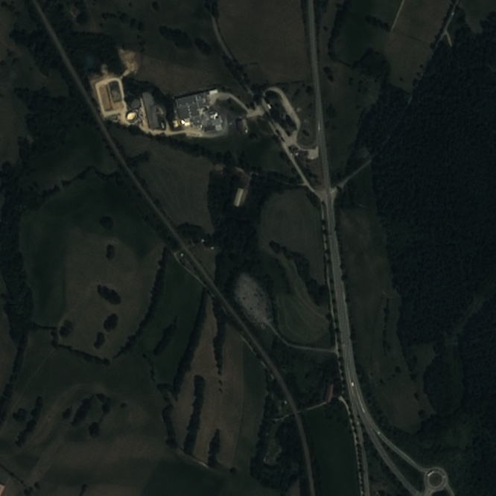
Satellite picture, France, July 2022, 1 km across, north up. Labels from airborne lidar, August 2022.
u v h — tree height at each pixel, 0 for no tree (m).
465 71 8
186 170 0
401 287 20
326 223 9
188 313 0
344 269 9
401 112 24
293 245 0
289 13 0
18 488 0
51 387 0
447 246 26
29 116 6
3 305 0
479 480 11
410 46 0
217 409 0
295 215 0
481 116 19
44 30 14
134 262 0
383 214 22
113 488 0
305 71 0
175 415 0
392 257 11
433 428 19
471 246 8
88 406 16
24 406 0
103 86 0
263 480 12
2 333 0
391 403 0
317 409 0
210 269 0
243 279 0
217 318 16
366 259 0
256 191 12
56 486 0
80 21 15
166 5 0
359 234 0
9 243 12
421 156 14
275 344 13
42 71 7
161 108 0
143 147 0
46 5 12
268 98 11
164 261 10
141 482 0
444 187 12
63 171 0
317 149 0
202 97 0
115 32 0
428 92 17
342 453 0
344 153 0
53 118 11
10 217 18
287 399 0
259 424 0
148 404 0
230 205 12
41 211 0
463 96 11
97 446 0
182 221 0
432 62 15
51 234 0
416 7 0
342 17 22
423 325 27
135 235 0
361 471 9
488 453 24
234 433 0
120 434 0
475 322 23
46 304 0
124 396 0
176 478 0
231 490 0
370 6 0
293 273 0
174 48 0
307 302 0
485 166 16
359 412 0
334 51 10
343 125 0
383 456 0
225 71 0
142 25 15
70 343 0
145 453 0
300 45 0
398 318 0
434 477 0
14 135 0
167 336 14
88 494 0
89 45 7
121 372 0
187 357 16
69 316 0
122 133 0
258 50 0
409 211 15
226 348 0
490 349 25
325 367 6
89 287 0
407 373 0
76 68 10
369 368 0
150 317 14
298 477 8
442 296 21
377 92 0
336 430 0
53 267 0
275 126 0
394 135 17
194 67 0
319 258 0
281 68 0
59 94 0
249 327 7
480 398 22
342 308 0
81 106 8
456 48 14
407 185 16
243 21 0
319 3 10
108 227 12
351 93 0
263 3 0
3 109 0
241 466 0
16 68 0
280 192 13
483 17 0
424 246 21
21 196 11
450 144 13
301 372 0
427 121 15
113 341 0
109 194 0
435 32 0
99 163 0
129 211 0
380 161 16
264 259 0
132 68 0
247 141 0
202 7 0
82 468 0
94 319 0
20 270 16
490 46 18
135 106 0
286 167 0
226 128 0
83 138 0
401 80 6
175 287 0
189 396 0
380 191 16
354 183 11
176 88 0
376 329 0
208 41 0
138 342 0
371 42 0
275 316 11
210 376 0
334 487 0
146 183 15
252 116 0
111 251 12
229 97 0
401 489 8
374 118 22
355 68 9
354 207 8
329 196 0
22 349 13
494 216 10
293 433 18
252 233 13
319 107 0
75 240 0
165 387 12
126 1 0
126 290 0
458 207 8
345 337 0
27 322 16
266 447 16
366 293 0
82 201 0
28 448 0
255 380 0
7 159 0
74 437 0
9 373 0
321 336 0
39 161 0
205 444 0
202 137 0
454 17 0
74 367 0
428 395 20
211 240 14
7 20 0
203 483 0
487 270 14
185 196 0
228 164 22
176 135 0
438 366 21
